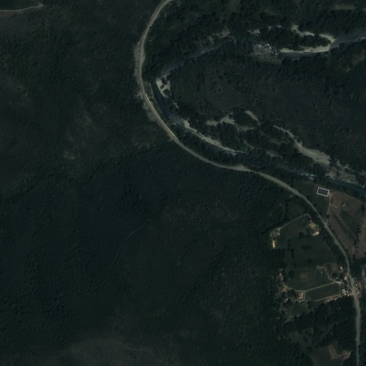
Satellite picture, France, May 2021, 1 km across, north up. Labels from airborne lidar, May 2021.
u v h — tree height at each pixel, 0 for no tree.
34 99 6
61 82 12
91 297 11
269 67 8
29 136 6
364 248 0
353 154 7
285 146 22
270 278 11
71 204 8
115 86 13
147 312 9
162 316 8
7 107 5
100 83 6
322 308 17
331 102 9
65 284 8
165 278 6
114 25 7
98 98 8
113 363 0
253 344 16
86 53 6
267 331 11
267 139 12
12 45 8
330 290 0
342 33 31
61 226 7
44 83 7
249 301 6
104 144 7
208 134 23
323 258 0
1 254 10
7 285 8
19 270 5
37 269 16
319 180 12
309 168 19
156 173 6
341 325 18
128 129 9
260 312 14
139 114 11
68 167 9
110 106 8
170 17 24
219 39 23
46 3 8
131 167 9
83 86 8
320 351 0
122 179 6
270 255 13
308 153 0
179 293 7
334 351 0
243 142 21
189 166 7
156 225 5
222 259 15
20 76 8
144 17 8
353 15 11
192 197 6
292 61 25
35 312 7
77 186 18
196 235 8
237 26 29
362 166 8
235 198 8
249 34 28
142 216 13
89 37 7
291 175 16
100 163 16
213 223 5
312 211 15
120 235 6
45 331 9
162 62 35
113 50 6
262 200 20
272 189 18
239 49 22
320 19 19
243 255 9
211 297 5
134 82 14
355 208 0
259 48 0
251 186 15
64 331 8
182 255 10
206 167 12
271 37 32
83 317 6
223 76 11
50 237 7
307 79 6
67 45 11
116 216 8
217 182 7
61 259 7
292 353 13
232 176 6
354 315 11
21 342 8
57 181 17
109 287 7
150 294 6
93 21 9
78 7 7
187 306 8
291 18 14
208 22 29
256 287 9
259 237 10
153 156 6
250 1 21
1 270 12
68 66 9
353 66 14
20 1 0
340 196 0
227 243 15
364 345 15
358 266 5
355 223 0
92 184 6
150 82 12
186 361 7
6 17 0
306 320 12
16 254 6
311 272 0
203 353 6
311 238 8
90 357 0
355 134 10
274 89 11
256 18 13
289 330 13
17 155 8
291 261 0
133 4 6
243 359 8
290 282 0
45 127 10
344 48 25
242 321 8
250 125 9
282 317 17
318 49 0
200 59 10
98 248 6
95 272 8
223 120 0
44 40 9
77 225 14
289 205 9
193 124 21
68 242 9
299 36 14
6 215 7
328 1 12
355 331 15
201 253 7
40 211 12
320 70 11
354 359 15
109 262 7
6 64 14
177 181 6
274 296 15
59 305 11
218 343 6
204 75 10
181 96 9
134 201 12
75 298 6
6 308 8
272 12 0
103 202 7
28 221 6
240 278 7
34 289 14
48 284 11
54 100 10
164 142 9
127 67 12
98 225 7
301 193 10
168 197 10
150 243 6
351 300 8
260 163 19
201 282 19
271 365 13
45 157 6
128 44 7
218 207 8
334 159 25
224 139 20
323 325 13
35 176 11
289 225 0
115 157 8
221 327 7
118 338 0
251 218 8
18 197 23
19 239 6
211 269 19
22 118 8
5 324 6
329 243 10
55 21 12
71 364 6
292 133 6
